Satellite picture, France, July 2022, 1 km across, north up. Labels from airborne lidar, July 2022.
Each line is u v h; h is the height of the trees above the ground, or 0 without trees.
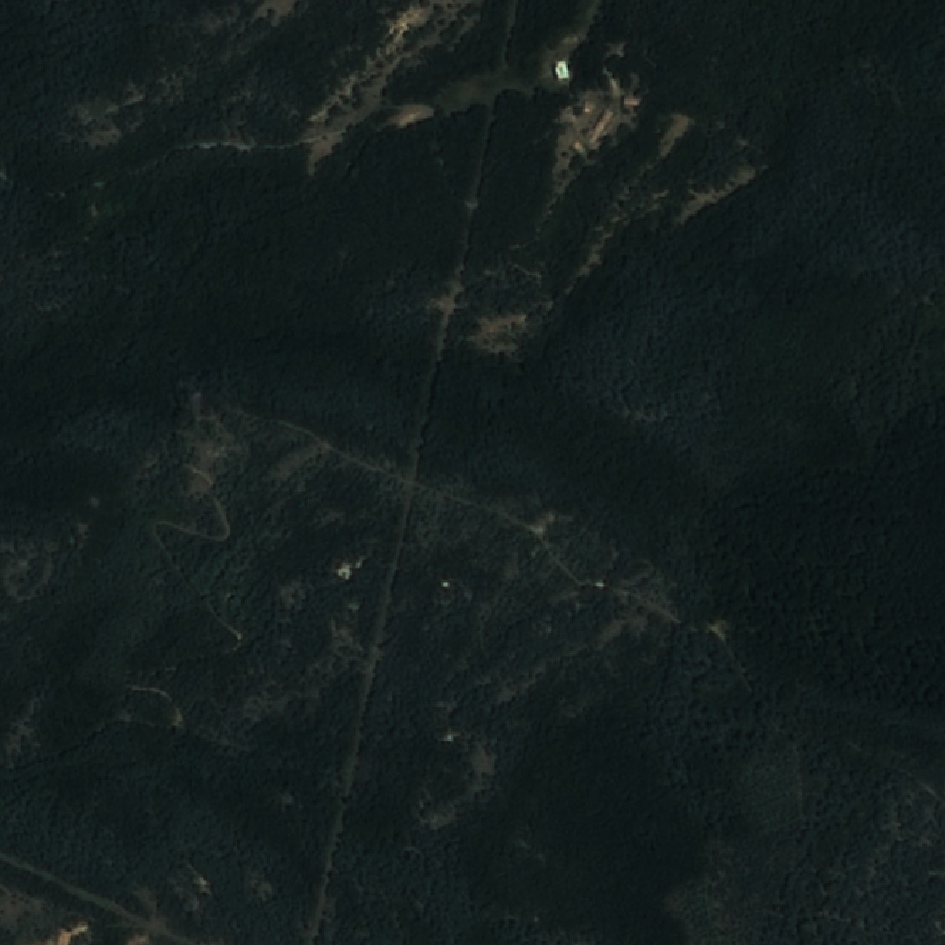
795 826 6
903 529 17
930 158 9
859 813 14
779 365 10
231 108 10
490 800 8
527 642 13
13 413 16
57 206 12
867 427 17
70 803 6
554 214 9
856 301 11
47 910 6
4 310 13
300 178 13
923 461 16
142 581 20
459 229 11
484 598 12
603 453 17
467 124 13
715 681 21
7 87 19
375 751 7
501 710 12
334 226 11
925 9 7
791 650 19
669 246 19
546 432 16
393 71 7
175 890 8
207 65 10
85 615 12
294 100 10
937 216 7
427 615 10
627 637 6
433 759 7
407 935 10
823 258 17
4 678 15
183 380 15
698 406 17
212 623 15
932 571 15
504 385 14
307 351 19
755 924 7
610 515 14
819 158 18
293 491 8
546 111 10
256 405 9
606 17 8
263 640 15
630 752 16
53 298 11
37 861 12
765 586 23
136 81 8
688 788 18
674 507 20
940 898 11
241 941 8
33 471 15
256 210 10
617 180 16
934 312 13
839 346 9
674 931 13
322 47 11
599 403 9
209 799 12
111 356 13
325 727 12
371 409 15
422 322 11
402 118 0
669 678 18
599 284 18
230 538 9
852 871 13
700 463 22
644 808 18
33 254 11
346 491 8
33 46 18
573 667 6
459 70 10
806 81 21
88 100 10
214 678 10
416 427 17
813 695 12
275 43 13
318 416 11
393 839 10
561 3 14
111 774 14
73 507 16
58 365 18
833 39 14
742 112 7
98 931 6
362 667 7
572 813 13
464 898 15
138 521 15
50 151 9
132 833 8
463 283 8
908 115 7
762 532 16
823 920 14
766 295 13
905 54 11
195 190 11
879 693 22
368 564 14
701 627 11
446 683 11
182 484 12
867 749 8
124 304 15
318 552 8
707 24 12
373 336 16
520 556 5
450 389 19
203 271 17
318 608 14
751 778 8
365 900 13
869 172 13
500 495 8
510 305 11
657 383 12
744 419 11
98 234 8
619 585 10
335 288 16
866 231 13
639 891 11
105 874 16
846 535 20
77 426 18
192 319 21
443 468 8
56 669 15
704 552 17
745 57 12
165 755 15
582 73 9
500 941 15
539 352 15
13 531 12
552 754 11
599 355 18
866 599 20
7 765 11
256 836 6
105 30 23
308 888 7
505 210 9
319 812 14
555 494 14
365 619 6
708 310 15
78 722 12
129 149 17
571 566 9
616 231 7
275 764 15
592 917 12
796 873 11
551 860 8
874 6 21
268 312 18
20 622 10
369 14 9
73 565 12
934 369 6
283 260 15
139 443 14
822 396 18
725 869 8
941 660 24
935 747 15
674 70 10
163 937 0
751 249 18
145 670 13
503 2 10
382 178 12
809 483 22
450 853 17
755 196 20
